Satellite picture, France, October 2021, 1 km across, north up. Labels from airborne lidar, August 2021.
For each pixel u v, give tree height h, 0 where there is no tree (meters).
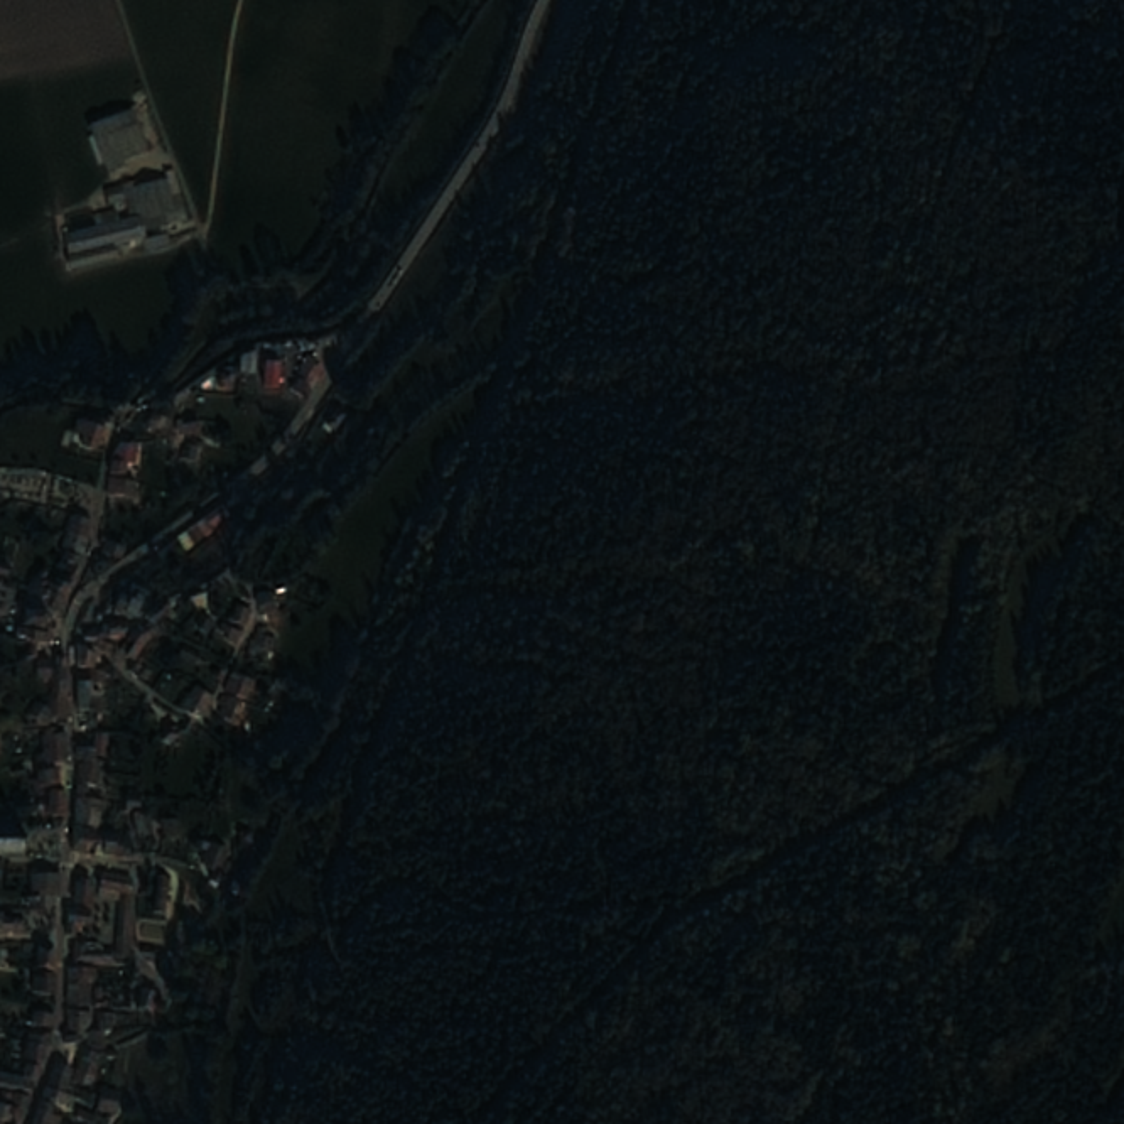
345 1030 16
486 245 8
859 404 11
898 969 15
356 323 0
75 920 0
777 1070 16
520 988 25
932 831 14
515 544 14
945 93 11
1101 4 12
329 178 0
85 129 0
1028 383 18
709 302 12
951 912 13
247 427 0
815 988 18
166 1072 15
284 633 0
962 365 8
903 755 16
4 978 0
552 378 10
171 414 12
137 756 13
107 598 0
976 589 22
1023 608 0
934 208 10
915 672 16
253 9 0
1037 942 15
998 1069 13
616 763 9
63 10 0
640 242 20
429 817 16
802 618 24
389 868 14
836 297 10
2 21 0
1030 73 15
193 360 0
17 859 0
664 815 11
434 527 13
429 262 0
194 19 0
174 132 0
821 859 24
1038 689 7
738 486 11
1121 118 14
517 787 12
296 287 0
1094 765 16
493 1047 22
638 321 16
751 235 15
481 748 19
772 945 19
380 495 0
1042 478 11
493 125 0
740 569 20
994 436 12
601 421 18
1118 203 6
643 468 17
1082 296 9
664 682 11
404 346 8
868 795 14
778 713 18
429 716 13
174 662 15
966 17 15
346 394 23
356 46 0
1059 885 16
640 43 20
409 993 17
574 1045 24
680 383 11
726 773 16
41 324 0
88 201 0
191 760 0
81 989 0
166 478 0
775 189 9
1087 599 14
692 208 14
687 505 10
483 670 6
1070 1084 13
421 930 18
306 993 8
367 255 10
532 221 19
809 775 15
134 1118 10
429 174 0
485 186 0
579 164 7
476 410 0
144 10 0
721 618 8
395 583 12
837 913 19
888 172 12
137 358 0
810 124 11
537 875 18
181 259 0
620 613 10
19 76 0
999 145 16
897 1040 26
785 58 9
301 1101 14
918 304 10
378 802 21
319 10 0
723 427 11
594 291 13
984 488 13
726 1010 17
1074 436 17
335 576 0
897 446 12
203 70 0
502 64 6
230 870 0
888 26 14
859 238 12
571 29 7
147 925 0
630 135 19
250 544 14
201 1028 19
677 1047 18
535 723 14
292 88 0
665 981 14
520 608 7
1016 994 12
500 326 0
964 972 16
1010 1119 20
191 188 0
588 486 8
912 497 14
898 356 13
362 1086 20
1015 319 11
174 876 0
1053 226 12
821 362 11
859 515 16
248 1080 8
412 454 0
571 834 8
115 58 0
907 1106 7
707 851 20
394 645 9
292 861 0
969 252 11
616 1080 18
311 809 23
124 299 0
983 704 10
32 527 9
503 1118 20
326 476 0
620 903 15
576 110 15
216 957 19
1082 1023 15
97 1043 0
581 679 11
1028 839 17
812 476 12
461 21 18
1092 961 7
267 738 5
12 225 0
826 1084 18
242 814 0
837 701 24
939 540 16
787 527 15
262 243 0
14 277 0
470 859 7
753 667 21
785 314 15
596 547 15
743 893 17
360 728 11
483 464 10
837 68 15
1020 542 17
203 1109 13
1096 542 14
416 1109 23
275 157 0
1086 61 18
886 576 14
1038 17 14
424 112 16
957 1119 15
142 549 0
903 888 18
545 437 8
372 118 0
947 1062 8
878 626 16
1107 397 12
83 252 0
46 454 0
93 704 0
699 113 17
